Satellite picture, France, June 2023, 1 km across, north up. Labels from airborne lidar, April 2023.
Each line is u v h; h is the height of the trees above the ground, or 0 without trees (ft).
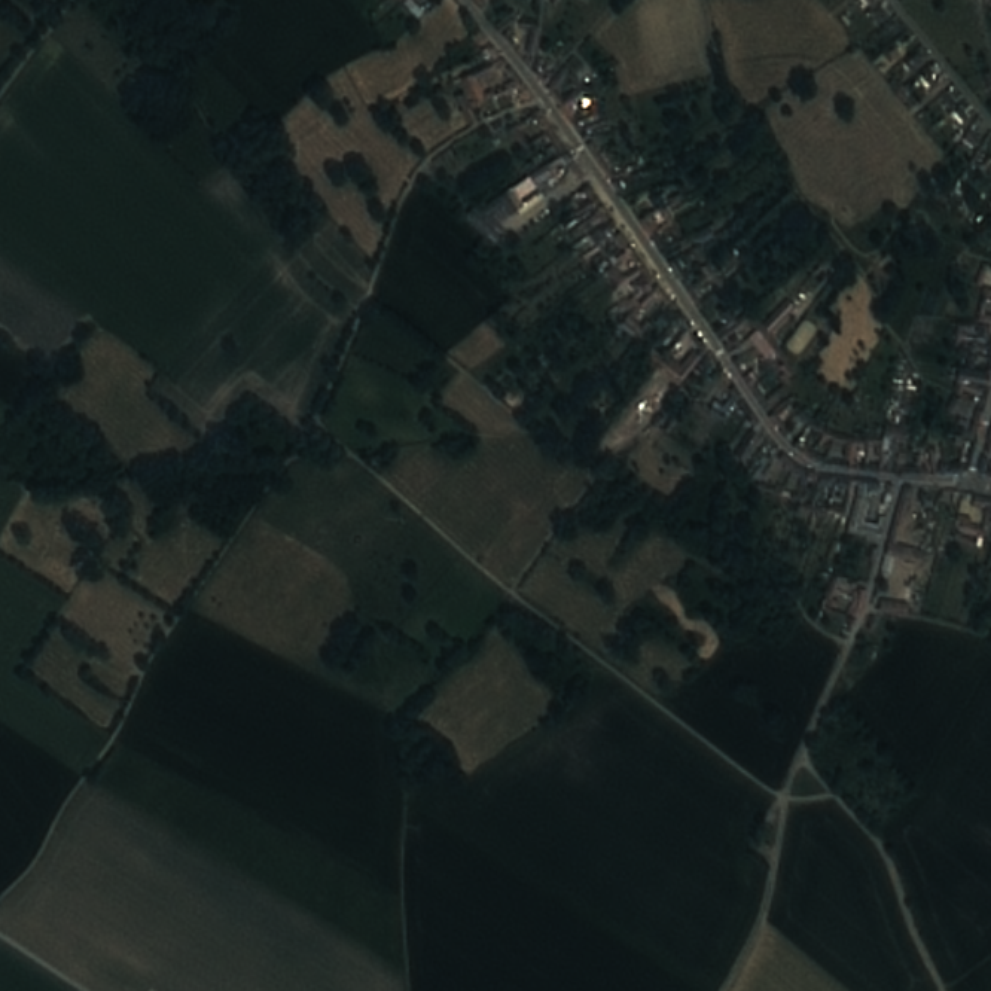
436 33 0
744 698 43
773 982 0
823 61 0
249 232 0
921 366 0
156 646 31
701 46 0
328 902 0
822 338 52
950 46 0
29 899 0
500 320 43
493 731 0
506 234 29
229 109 0
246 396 34
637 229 0
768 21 0
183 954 0
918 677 0
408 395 0
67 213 0
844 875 0
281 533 0
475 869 0
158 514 31
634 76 0
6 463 24
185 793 0
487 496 0
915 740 0
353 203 0
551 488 0
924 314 0
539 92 0
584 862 0
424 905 0
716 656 0
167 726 0
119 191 0
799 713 0
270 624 0
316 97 67
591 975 0
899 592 0
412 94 28
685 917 0
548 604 0
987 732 0
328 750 0
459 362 0
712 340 0
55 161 0
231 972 0
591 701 0
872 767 31
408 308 0
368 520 0
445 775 65
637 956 0
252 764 0
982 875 0
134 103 56
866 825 54
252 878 0
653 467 0
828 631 0
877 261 0
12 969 0
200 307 0
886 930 0
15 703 0
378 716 0
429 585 0
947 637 0
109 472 43
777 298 0
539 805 0
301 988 0
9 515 0
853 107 40
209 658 0
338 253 0
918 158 0
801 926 0
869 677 0
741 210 48
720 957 0
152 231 0
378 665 0
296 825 0
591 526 38
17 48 42
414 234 0
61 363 58
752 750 0
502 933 0
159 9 92
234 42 0
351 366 0
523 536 0
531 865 0
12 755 0
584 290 0
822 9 0
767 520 0
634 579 0
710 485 0
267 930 0
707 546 48
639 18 0
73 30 0
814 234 83
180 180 0
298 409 0
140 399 0
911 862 0
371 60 0
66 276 0
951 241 0
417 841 0
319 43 0
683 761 0
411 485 0
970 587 37
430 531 0
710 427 0
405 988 0
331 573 0
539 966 0
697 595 0
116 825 0
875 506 0
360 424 29
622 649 61
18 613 0
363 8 0
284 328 0
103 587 0
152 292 0
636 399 24
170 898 0
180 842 0
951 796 0
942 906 0
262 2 0
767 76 0
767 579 23
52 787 0
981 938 0
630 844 0
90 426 67
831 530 0
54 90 0
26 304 0
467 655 31
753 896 0
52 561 0
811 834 0
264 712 0
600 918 0
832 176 0
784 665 0
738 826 0
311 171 0
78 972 0
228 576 0
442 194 37
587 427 66
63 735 0
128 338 0
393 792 0
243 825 0
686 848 0
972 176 54
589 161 0
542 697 0
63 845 0
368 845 0
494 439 0
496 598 0
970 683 0
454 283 0
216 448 78
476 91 0
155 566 0
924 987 0
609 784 0
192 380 0
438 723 0
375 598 0
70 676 0
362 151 0
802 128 0
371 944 0
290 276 0
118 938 0
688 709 0
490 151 0
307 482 0
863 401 0
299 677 0
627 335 25
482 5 0
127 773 0
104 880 0
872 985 0
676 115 42
